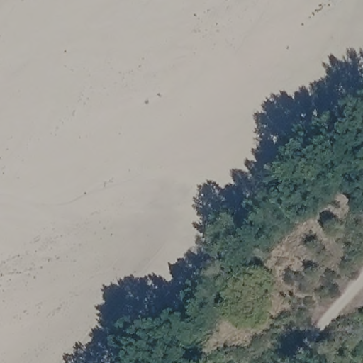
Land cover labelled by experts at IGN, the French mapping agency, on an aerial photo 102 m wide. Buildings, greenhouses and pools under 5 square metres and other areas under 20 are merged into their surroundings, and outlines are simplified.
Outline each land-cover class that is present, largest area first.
<instances>
[{"label":"bare soil","instance_id":"1","mask_svg":"<svg viewBox=\"0 0 363 363\"><path fill-rule=\"evenodd\" d=\"M363 88V0H0V363H112L115 349L108 345V336L115 328L116 320L125 316L133 319L156 318L163 309H172L176 305L180 299L181 289L186 288L187 279L190 281L196 278L201 269H207L208 255L201 251V248L203 241H206L208 216L235 210L242 206V201L257 196L262 180L267 177L265 164L274 162L279 147L291 139L289 135L295 123L318 121L323 112L340 109L337 104L339 99L346 98L357 89Z\"/></svg>","mask_w":363,"mask_h":363},{"label":"deciduous trees","instance_id":"2","mask_svg":"<svg viewBox=\"0 0 363 363\"><path fill-rule=\"evenodd\" d=\"M337 104L340 109L323 112L318 121L295 123L289 135L291 139L279 147L274 162L265 164L267 177L262 180L257 196L242 201V206L235 210L208 216L206 241H203L201 248V251L208 255L207 269H201L196 278L190 281L187 279L186 288L181 289L180 299L176 305L172 309H163L156 318L133 319L125 316L116 320L115 328L108 336V345L115 349L112 363H199L200 352H203V346L211 339L214 329L223 320L230 322L234 328H255L261 320L271 318V315L269 308L272 305L271 291L275 277L274 271L265 265V262L271 258V251L284 240L286 234L294 231L303 221L309 220L311 216L320 217L322 211H328V201L335 200L337 194L347 197L349 210L352 213H363V88L357 89L346 98L339 99ZM303 245L316 255L323 254L326 250L323 242L315 234L305 235ZM354 320H359V329L353 336H349L346 343L347 349H352V356L362 357L363 360V313L354 316ZM339 346L335 342L323 340L320 343H311L308 349L299 350L295 356L286 357L285 363H335L336 357L339 356Z\"/></svg>","mask_w":363,"mask_h":363},{"label":"brushwood","instance_id":"3","mask_svg":"<svg viewBox=\"0 0 363 363\"><path fill-rule=\"evenodd\" d=\"M326 235H330L337 244H343V255L339 264L332 269L328 268L326 261H329L332 254L326 250L323 254L316 255L313 262L303 261V268L299 271L285 268L284 281L289 285L298 282V289L301 292H316L319 298L335 299L339 298L353 279L359 277L363 268V213H352L349 210L340 218L333 214L332 220L320 225ZM282 301L289 303V309L279 312L277 316L271 315V325L258 335L252 336L248 345L224 343L211 353L203 352H200L199 363H285L286 357L295 356L299 350L308 349L311 343H320L323 340L335 342L339 346V356L336 357L335 363H363V360L362 357L352 356V349H347L346 343L349 336H353L359 329V320H354V316L363 313V305L345 315L336 316L325 329L318 328L313 325L309 312V309L315 308L312 298H298L292 291H289V296H285L284 291L279 292Z\"/></svg>","mask_w":363,"mask_h":363},{"label":"herbaceous vegetation","instance_id":"4","mask_svg":"<svg viewBox=\"0 0 363 363\"><path fill-rule=\"evenodd\" d=\"M328 211H322L320 217L311 216L309 220L303 221L294 231L286 234L284 240L271 251V258L265 262V265L274 271L275 277L271 291L272 305L269 308L271 315L277 316L279 312L289 309V303L282 301L279 292L284 291L285 296H289V291H292L298 298H312L315 308L309 309V312L313 325L318 328L320 318L325 315L335 299L319 298L316 292H301L298 289V282L289 285L284 281L285 268L299 271L303 268V261L313 262L316 255L303 245L305 235L315 234L323 242L326 250L332 254L329 261H326L328 268L332 269L339 264L343 255V244H337L330 235H326L320 225L332 220L333 214L340 218L349 210L347 197L337 194L335 200L328 201ZM271 325V318L261 320L255 328H234L230 322L223 320L214 329L211 339L203 346V352L211 353L224 343L248 345L252 336L258 335Z\"/></svg>","mask_w":363,"mask_h":363},{"label":"pervious surface","instance_id":"5","mask_svg":"<svg viewBox=\"0 0 363 363\"><path fill-rule=\"evenodd\" d=\"M363 305V268L359 277L353 279L339 298L335 299L325 315L320 318L318 328L325 329L336 316L345 315Z\"/></svg>","mask_w":363,"mask_h":363}]
</instances>
